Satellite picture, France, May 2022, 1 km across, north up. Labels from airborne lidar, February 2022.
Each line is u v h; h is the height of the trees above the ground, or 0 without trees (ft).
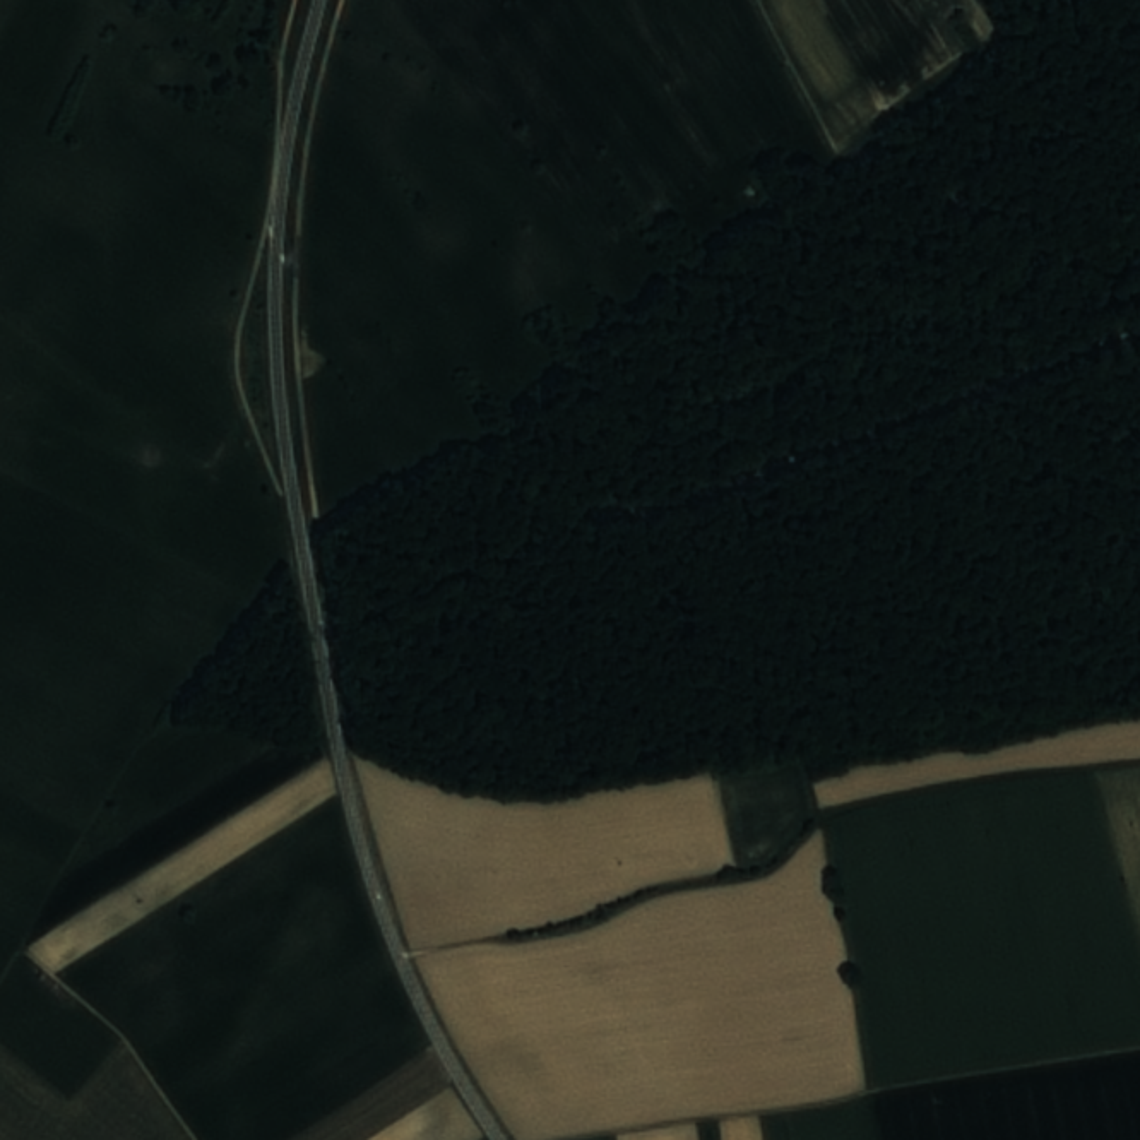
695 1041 0
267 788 0
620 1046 0
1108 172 81
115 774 0
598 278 0
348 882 0
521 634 83
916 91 0
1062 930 0
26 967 0
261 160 0
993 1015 0
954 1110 0
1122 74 88
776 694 84
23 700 0
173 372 0
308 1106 0
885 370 96
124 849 0
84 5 0
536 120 0
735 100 0
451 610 76
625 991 0
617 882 0
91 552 0
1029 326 95
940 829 0
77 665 0
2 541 0
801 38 0
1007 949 0
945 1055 0
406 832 0
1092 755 0
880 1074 0
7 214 0
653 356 92
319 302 0
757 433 86
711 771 40
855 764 22
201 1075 0
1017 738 28
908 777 0
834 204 83
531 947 0
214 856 0
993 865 0
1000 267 96
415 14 0
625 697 86
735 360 87
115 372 0
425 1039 0
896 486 81
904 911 0
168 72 0
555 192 0
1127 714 30
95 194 0
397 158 0
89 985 0
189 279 0
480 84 0
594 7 0
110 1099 0
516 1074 0
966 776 0
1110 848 0
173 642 0
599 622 83
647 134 0
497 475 78
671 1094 0
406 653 80
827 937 0
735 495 76
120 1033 0
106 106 0
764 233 90
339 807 0
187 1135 0
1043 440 85
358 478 0
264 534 0
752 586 72
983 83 82
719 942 0
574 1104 0
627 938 0
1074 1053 0
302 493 0
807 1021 0
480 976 0
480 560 95
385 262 0
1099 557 86
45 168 0
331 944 0
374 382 0
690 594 92
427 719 80
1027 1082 0
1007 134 83
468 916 0
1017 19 87
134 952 0
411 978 0
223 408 0
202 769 0
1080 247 64
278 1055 0
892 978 0
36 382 0
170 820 0
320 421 0
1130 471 96
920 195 92
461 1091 0
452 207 0
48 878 0
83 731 0
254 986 0
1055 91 81
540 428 84
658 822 0
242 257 0
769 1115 0
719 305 83
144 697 0
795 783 0
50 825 0
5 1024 0
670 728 71
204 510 0
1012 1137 0
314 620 0
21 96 0
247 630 62
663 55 0
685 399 85
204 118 0
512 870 0
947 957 0
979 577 89
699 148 0
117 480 0
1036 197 89
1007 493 90
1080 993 0
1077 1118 0
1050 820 0
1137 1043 0
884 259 82
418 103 0
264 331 0
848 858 0
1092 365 84
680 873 0
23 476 0
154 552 0
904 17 0
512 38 0
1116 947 0
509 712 84
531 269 0
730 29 0
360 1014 0
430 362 0
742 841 0
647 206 0
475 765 73
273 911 0
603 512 0
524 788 64
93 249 0
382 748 66
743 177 0
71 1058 0
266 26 25
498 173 0
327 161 0
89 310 0
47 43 0
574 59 0
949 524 90
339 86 0
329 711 0
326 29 0
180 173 0
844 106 0
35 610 0
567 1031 0
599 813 0
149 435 0
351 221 0
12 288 0
